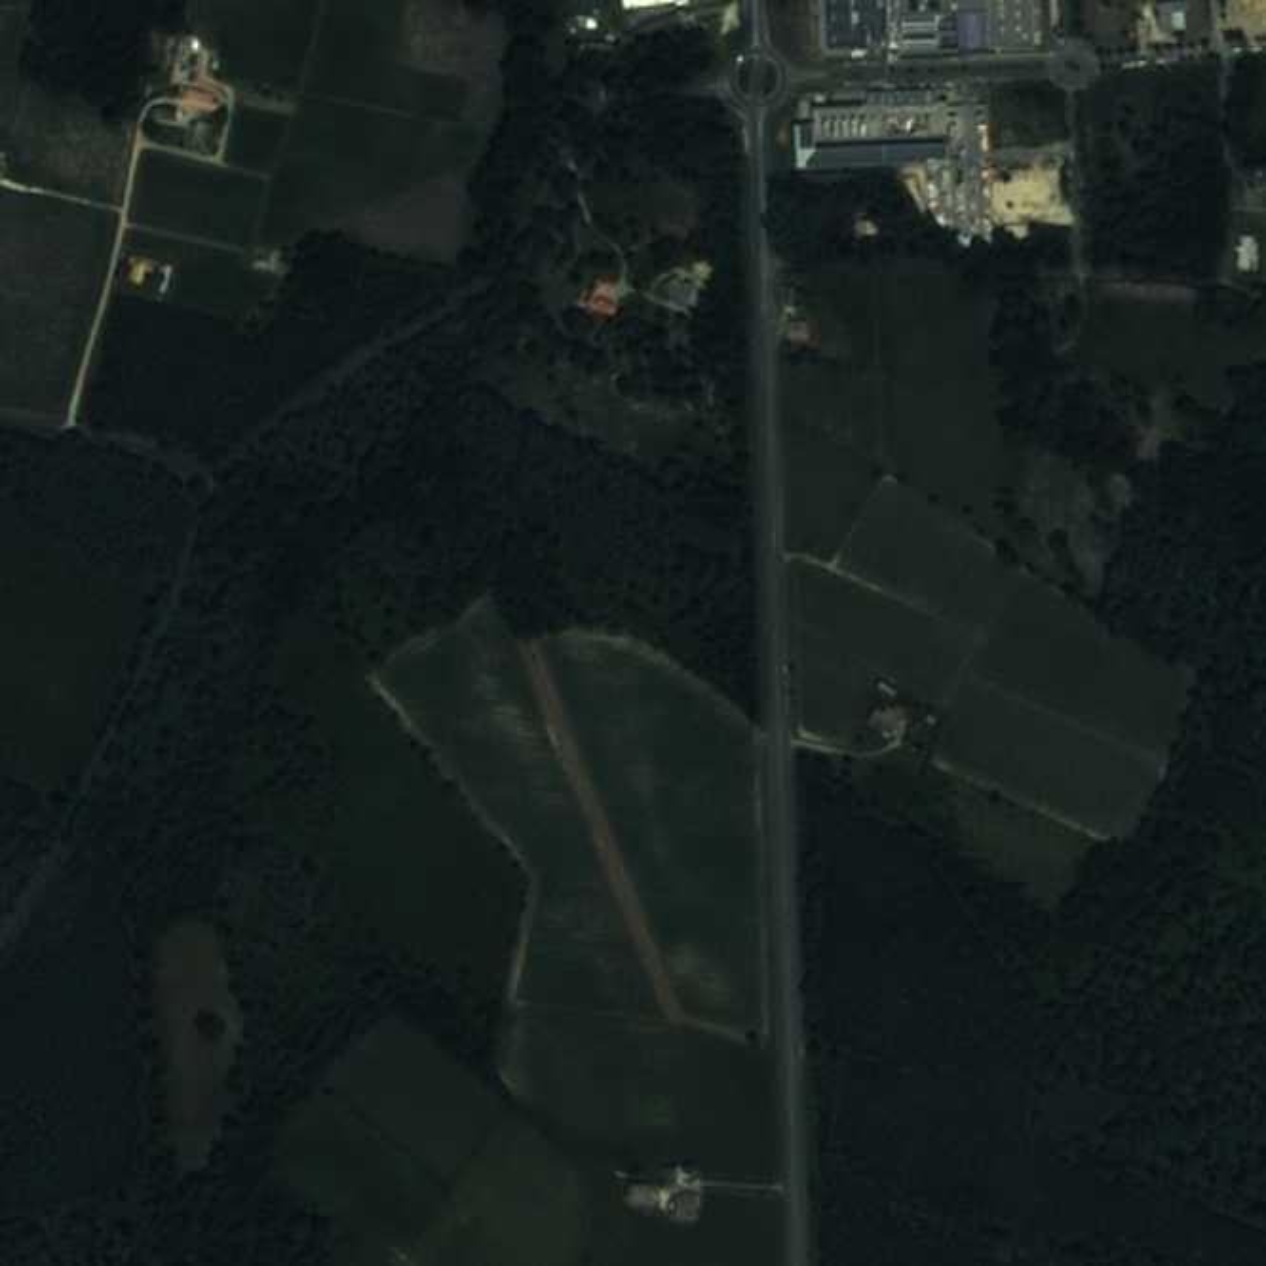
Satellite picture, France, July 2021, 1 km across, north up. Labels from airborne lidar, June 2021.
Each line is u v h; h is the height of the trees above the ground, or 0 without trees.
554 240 13
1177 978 12
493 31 0
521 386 0
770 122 0
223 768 10
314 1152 0
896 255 28
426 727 0
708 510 19
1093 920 8
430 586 16
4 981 7
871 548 0
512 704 0
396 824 0
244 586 26
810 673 0
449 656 0
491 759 0
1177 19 0
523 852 0
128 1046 6
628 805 0
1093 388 21
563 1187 0
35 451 18
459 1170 0
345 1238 0
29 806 10
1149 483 27
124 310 6
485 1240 0
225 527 20
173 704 25
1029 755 0
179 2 16
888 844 7
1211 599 24
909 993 6
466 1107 0
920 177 0
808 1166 0
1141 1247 9
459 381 16
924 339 0
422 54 0
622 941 0
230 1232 18
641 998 0
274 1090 8
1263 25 0
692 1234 0
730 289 13
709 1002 0
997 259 20
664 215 0
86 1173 9
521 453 23
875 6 0
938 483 0
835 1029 7
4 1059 10
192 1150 0
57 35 10
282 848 8
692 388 11
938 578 0
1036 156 0
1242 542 6
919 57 0
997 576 0
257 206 0
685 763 0
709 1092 0
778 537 0
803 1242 0
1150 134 7
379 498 21
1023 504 25
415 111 0
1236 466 20
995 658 0
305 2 0
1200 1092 11
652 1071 0
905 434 0
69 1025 9
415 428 13
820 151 0
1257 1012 11
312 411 9
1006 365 21
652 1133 0
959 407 0
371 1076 0
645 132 14
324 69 0
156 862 21
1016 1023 7
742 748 0
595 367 8
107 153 0
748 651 9
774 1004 0
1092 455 25
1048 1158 7
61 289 0
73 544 15
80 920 6
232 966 11
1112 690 0
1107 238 9
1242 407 9
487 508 17
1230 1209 11
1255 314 6
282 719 15
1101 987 9
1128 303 0
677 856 0
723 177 10
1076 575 16
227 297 0
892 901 7
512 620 16
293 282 11
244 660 11
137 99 7
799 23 0
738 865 0
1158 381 0
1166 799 9
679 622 6
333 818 6
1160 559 28
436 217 0
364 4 0
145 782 10
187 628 11
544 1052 0
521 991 0
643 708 0
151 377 7
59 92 13
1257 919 14
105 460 18
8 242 0
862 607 0
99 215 0
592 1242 0
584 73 17
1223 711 12
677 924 0
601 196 0
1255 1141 7
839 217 14
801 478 0
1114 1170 8
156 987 14
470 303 12
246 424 8
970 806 0
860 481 0
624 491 22
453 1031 10
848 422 0
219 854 18
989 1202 7
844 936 9
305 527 22
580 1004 0
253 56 0
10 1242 12
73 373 0
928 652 0
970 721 0
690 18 0
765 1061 0
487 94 0
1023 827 0
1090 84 0
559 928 0
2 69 0
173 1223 24
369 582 7
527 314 20
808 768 8
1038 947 11
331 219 0
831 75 0
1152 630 17
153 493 19
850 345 0
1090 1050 7
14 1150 7
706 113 11
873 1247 7
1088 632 0
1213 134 10
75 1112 9
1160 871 13
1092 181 7
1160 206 12
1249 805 11
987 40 0
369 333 7
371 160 0
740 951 0
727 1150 0
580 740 0
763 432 0
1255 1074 11
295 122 0
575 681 0
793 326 0
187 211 0
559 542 15
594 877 0
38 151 0
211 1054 0
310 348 6
